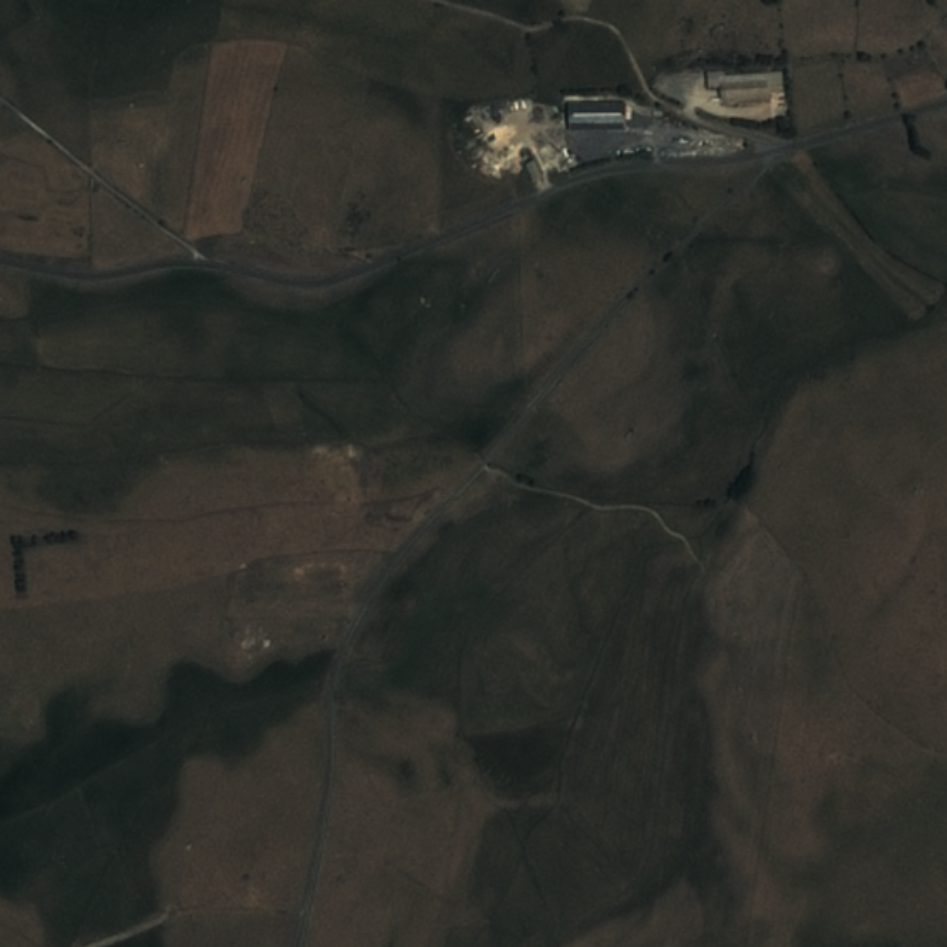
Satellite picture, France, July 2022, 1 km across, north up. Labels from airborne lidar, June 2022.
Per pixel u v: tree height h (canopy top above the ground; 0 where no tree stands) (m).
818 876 0
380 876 0
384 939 0
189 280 0
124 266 0
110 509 0
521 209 0
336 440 0
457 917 0
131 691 0
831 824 0
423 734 0
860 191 0
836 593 0
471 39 0
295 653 0
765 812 0
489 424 0
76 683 0
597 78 0
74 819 0
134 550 0
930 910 0
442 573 0
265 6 0
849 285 0
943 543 0
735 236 0
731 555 0
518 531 0
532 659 0
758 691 0
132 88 0
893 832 0
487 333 0
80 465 0
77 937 0
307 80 0
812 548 0
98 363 0
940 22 0
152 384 0
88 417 0
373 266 0
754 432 0
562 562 0
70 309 0
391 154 0
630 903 0
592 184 0
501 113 0
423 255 0
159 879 0
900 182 0
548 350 0
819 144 0
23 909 0
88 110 0
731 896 0
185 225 0
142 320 0
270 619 0
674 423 0
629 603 0
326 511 0
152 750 0
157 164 0
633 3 0
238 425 0
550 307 0
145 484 0
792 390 0
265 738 0
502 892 0
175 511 0
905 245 0
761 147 0
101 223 0
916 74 0
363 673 0
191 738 0
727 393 0
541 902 0
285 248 0
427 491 0
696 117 0
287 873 0
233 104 0
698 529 0
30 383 0
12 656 0
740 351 0
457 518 0
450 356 0
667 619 0
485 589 0
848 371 0
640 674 0
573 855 0
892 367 0
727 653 0
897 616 0
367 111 0
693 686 0
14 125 0
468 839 0
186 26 0
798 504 0
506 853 0
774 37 0
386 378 0
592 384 0
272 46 0
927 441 0
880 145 0
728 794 0
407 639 0
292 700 0
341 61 0
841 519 0
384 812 0
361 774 0
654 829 0
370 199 0
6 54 0
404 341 0
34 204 0
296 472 0
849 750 0
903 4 0
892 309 0
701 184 0
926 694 0
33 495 0
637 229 0
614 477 0
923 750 0
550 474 0
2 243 0
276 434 0
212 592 0
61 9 0
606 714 0
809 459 0
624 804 0
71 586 0
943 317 0
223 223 0
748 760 0
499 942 0
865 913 0
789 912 0
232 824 0
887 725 0
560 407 0
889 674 0
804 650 0
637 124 0
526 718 0
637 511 0
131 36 0
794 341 0
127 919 0
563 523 0
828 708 0
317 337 0
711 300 0
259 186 0
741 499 7
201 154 0
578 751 0
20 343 0
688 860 0
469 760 0
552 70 0
